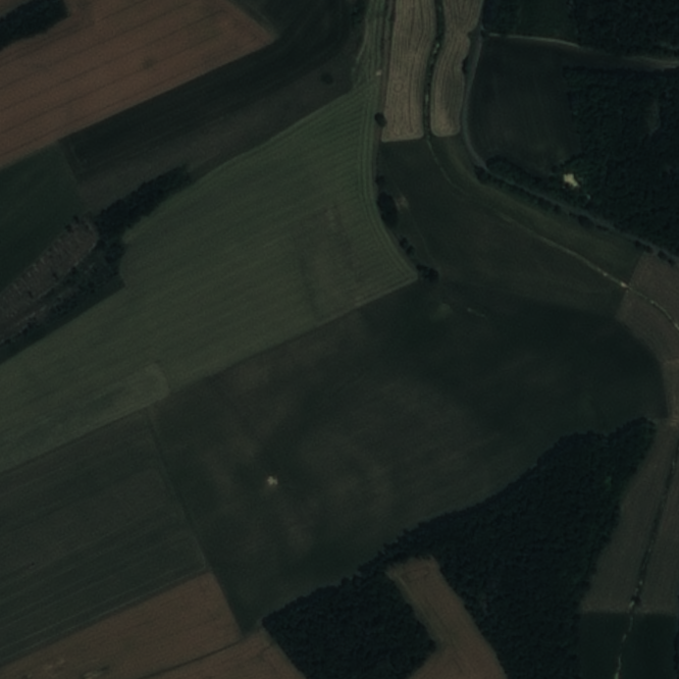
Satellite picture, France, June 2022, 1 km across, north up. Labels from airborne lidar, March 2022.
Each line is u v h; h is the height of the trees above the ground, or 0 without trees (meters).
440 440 0
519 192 13
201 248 0
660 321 0
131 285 0
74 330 0
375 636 21
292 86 0
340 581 0
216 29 0
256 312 0
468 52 0
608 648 0
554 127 0
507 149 0
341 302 0
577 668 18
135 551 0
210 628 0
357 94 0
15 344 0
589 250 0
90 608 0
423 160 0
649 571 0
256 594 0
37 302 0
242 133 0
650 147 17
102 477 0
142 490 0
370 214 0
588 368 0
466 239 0
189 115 0
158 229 0
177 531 0
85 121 0
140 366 0
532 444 0
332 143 0
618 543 0
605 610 0
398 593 16
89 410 0
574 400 0
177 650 0
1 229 0
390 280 0
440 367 0
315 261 0
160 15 0
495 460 0
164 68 0
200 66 0
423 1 0
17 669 0
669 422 0
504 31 20
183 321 0
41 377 0
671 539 0
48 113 0
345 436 0
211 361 0
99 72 0
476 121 0
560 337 0
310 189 0
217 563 0
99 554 0
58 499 0
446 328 0
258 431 0
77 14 0
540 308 0
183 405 0
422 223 0
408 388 0
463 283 0
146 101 0
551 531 19
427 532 19
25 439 0
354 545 0
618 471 17
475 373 0
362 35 0
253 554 0
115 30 0
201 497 0
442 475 0
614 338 0
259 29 0
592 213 10
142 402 0
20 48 0
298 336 0
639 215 15
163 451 0
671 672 0
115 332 0
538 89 0
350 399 0
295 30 0
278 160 0
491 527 19
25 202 0
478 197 0
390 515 0
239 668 0
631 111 18
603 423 0
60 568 0
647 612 0
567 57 0
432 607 0
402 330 0
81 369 0
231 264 0
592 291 0
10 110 0
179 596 0
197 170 0
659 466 0
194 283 0
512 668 13
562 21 0
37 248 0
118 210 17
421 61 0
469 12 0
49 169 0
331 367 0
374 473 0
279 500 0
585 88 10
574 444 23
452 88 0
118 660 0
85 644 0
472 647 0
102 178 0
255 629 0
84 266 0
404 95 0
